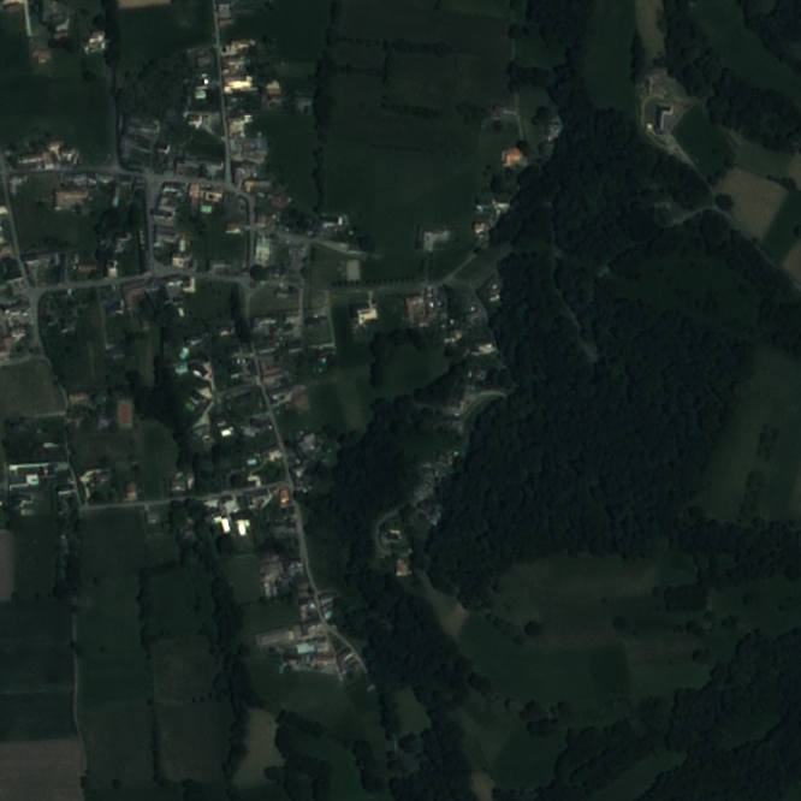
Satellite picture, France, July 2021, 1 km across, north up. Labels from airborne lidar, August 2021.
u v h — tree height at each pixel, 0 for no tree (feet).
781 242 0
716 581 48
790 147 72
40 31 0
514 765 0
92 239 0
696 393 120
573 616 0
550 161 38
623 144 90
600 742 51
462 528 91
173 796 0
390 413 73
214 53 25
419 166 0
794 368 0
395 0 0
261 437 0
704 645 0
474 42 0
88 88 0
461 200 0
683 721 70
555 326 85
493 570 50
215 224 0
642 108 0
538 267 73
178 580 0
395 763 39
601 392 108
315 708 0
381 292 0
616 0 0
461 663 65
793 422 0
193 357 25
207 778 0
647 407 108
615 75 0
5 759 0
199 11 0
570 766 75
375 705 0
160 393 72
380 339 64
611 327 94
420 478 23
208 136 0
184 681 0
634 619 0
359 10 0
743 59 0
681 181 51
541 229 63
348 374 0
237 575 0
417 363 0
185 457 45
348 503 19
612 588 0
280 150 0
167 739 0
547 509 104
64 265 0
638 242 46
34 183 0
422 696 77
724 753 47
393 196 0
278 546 47
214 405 0
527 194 59
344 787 0
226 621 67
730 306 0
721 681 56
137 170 0
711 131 0
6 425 19
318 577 0
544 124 43
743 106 48
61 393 0
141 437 0
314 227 0
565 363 94
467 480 70
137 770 0
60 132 0
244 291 0
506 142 0
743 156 0
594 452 97
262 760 0
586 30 69
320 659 0
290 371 0
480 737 0
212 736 0
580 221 54
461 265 0
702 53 23
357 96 0
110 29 51
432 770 82
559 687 0
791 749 92
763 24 74
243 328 52
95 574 0
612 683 0
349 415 0
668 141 0
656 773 0
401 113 22
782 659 62
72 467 29
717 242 18
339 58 0
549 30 75
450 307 31
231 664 59
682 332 69
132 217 34
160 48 0
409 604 55
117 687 0
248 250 0
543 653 0
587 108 49
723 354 71
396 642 84
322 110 60
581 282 62
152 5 0
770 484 0
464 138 0
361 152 0
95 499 50
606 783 29
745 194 0
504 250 0
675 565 0
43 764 0
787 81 0
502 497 102
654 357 106
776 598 0
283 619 0
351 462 66
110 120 0
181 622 0
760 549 50
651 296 0
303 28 0
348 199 0
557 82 25
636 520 31
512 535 104
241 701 54
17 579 0
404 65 0
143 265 0
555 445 112
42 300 20
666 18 22
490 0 0
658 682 0
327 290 0
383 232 0
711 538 62
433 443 0
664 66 41
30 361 0
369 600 60
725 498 0
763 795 75
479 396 0
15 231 0
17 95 0
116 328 0
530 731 43
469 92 0
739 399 44
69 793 0
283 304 0
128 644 0
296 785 68
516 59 22
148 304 45
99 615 0
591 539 94
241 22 0
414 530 35
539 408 96
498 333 58
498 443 77
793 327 67
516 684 0
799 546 61
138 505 0
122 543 0
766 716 52
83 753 0
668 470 91
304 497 41
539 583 0
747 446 0
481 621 0
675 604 32
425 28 0
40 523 0
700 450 83
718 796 68
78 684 0
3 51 0
